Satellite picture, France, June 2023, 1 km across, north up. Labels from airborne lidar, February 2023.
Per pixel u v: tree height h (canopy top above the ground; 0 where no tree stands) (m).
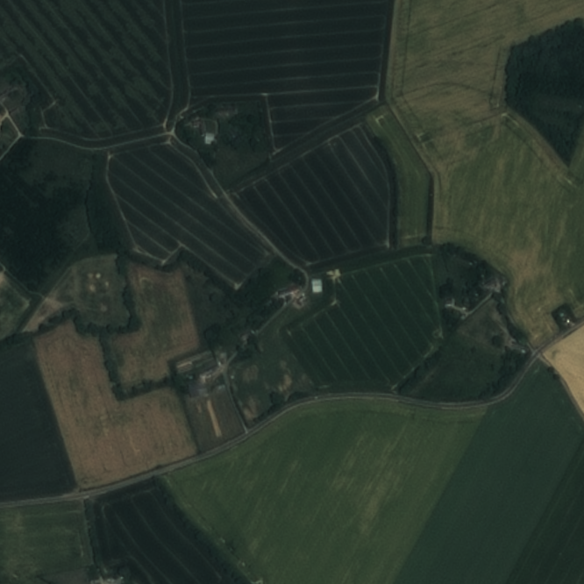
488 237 0
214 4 0
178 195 0
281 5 0
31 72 0
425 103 0
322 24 0
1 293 0
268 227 0
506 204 0
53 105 0
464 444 0
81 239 0
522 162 0
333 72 0
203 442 0
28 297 0
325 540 0
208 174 0
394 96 0
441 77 0
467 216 0
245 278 0
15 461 0
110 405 0
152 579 0
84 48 0
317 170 0
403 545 0
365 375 0
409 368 0
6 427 0
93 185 14
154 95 0
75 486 0
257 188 0
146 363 0
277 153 0
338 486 0
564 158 9
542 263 0
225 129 20
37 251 6
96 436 0
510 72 18
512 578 0
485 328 0
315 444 0
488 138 0
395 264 0
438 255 0
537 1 0
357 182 0
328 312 0
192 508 0
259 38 0
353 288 0
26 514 0
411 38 0
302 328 0
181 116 0
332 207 0
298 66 0
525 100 10
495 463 0
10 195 6
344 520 0
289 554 0
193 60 0
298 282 8
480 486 0
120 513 0
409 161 0
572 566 0
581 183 0
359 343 0
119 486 0
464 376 0
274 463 0
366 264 0
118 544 0
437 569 0
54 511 0
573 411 0
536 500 0
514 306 0
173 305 0
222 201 0
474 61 0
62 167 0
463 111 0
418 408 0
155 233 0
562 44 16
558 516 0
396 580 0
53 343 0
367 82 0
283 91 0
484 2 0
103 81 0
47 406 0
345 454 0
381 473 0
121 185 0
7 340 7
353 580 0
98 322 0
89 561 0
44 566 0
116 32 0
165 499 12
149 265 6
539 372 0
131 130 0
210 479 0
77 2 0
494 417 0
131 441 0
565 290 0
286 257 0
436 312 0
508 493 0
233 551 0
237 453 0
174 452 0
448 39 0
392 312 0
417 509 0
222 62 0
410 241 0
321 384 0
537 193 0
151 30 0
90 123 0
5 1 0
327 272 0
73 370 0
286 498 0
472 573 0
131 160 0
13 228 6
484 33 0
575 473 0
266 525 0
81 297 0
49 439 0
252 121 14
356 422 0
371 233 0
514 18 0
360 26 0
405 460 0
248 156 0
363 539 0
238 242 0
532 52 21
